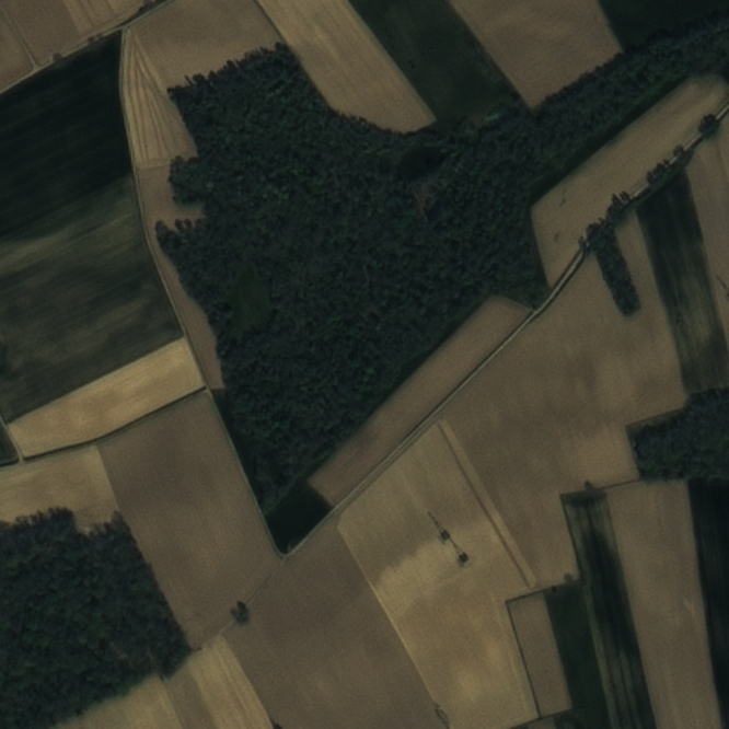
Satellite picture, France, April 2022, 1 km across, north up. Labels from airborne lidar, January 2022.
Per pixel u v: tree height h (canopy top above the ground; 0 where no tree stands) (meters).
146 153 0
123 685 23
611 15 0
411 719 0
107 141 0
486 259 25
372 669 0
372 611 0
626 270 21
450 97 0
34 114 0
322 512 0
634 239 0
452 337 0
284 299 21
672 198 0
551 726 0
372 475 0
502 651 0
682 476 20
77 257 0
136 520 0
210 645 0
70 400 0
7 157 0
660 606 0
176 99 9
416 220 26
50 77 0
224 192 23
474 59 0
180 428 0
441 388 0
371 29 0
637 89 23
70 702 27
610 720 0
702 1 0
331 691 0
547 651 0
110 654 30
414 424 0
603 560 0
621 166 0
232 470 0
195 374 0
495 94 0
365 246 10
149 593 30
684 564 0
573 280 0
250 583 0
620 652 0
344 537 0
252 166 21
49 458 0
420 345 21
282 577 0
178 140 0
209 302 21
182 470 0
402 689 0
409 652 0
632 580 0
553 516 0
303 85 10
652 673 0
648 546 0
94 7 0
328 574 0
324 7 0
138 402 0
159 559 0
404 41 0
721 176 0
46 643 25
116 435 0
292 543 0
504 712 0
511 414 0
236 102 16
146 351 0
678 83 0
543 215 0
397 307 28
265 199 21
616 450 0
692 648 0
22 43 0
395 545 0
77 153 0
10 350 0
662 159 0
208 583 0
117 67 0
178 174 15
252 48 0
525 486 0
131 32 0
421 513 0
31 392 0
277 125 11
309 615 0
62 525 26
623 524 0
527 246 21
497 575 0
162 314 0
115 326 0
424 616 0
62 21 0
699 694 0
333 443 22
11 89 0
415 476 0
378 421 0
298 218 20
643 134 0
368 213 31
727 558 0
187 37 0
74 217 0
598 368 0
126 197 0
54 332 0
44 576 32
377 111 0
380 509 0
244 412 23
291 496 0
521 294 0
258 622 0
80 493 0
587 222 0
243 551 0
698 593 0
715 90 0
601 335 0
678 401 0
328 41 0
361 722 0
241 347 20
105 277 0
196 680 0
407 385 0
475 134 0
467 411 0
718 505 0
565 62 0
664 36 19
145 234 0
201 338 0
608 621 0
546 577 0
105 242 0
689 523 0
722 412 24
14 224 0
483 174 22
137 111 0
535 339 0
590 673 0
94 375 0
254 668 0
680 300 0
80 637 36
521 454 0
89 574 31
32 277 0
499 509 0
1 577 28
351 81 0
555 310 0
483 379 0
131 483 0
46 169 0
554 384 0
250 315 0
